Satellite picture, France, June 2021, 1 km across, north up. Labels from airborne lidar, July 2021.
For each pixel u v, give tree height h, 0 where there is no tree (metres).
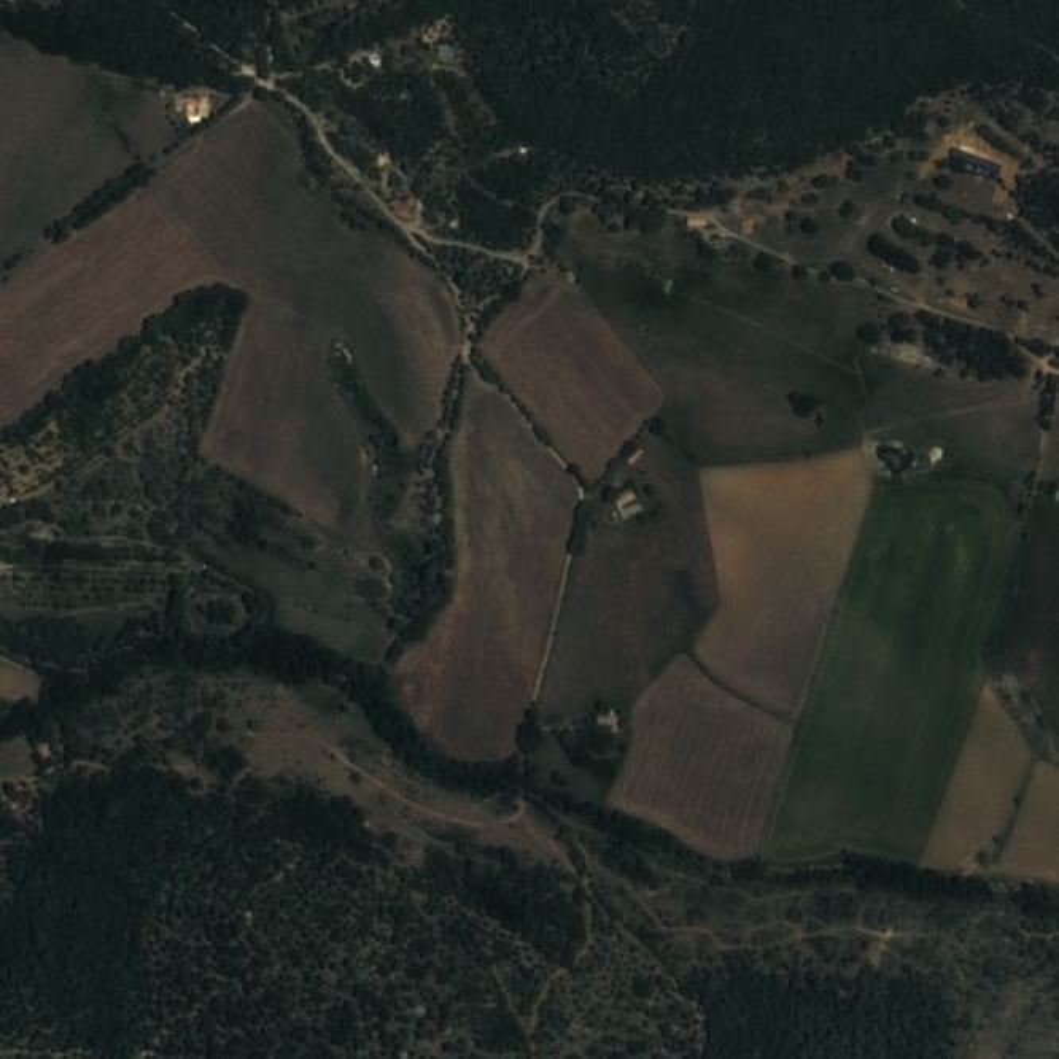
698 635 0
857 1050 19
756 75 6
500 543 0
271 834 12
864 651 0
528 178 8
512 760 9
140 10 7
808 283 0
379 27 9
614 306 0
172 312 12
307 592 0
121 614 0
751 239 0
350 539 0
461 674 0
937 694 0
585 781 0
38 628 8
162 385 7
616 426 0
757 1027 13
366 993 9
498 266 6
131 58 11
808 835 0
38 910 8
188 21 7
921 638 0
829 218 0
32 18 12
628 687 0
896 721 0
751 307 0
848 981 13
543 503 0
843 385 0
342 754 0
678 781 0
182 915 13
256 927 8
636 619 0
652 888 6
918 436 0
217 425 0
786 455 0
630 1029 8
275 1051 7
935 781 0
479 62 8
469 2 11
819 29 8
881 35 5
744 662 0
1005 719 0
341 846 9
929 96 12
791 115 6
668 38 7
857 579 0
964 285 0
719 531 0
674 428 0
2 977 8
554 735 7
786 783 0
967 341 11
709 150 7
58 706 8
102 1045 10
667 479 0
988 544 0
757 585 0
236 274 0
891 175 0
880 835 0
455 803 0
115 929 12
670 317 0
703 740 0
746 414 0
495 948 8
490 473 0
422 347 0
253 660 12
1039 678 0
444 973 7
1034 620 0
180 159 0
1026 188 10
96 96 0
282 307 0
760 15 6
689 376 0
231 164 0
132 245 0
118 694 10
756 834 0
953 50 6
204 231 0
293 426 0
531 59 9
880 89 8
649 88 7
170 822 10
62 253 0
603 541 0
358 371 0
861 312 0
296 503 0
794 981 10
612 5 5
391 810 0
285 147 0
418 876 6
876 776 0
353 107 7
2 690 0
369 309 0
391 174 6
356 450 0
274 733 0
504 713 0
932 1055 14
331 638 0
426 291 0
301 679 10
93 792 7
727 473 0
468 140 8
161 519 8
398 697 0
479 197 8
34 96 0
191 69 10
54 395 10
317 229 0
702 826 0
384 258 0
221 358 7
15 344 0
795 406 7
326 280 0
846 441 0
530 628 0
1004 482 0
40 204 0
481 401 0
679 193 13
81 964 6
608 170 10
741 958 8
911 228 9
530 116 11
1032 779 0
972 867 0
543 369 0
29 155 0
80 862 7
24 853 10
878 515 0
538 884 9
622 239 0
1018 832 0
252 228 0
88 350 0
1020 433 0
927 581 0
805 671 0
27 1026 7
